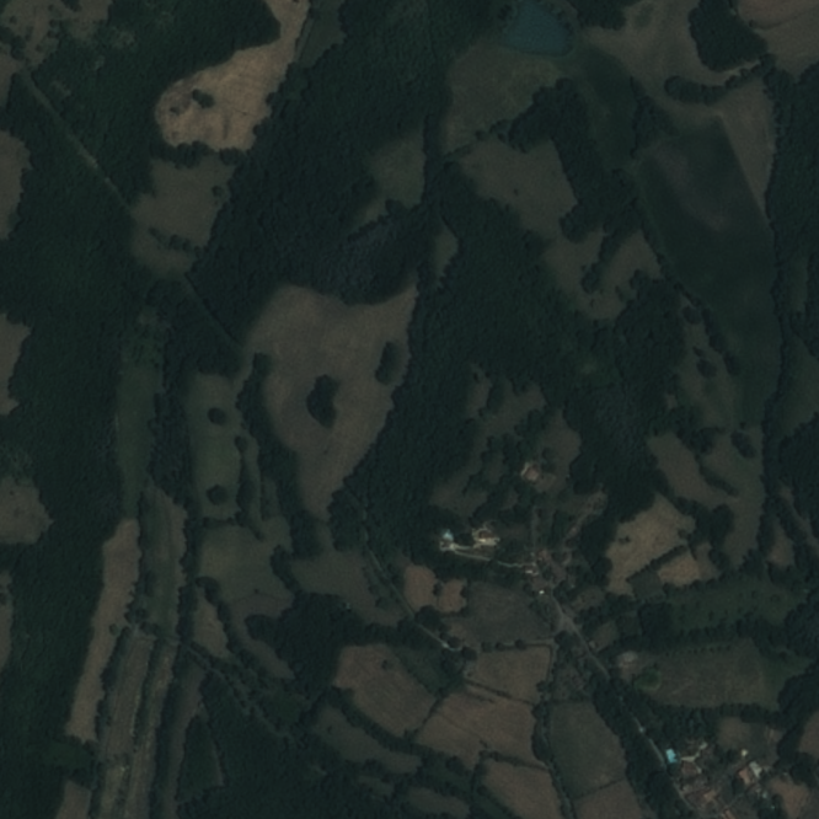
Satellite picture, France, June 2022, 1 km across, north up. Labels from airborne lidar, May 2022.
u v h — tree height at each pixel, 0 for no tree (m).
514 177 0
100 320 21
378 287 15
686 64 0
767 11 0
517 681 0
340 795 21
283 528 0
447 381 16
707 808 0
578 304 0
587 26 13
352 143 22
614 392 25
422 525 16
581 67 0
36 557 17
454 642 15
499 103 0
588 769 0
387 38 8
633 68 0
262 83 0
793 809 0
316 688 23
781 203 15
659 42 0
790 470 24
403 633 18
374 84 11
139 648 0
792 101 19
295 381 0
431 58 10
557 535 8
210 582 17
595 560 10
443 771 0
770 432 21
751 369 0
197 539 25
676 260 0
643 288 24
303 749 21
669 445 0
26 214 20
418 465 13
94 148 13
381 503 15
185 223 0
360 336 0
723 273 0
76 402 20
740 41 16
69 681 19
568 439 0
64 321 19
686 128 0
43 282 16
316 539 10
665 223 0
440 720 0
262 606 0
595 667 11
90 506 26
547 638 0
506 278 16
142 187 24
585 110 21
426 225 16
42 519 0
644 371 24
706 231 0
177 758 0
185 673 16
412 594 0
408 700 0
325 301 0
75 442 22
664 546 0
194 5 11
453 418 19
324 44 0
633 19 0
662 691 0
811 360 0
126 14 18
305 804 21
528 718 0
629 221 20
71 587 20
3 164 0
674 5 0
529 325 15
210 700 17
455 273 24
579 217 19
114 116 14
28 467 11
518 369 16
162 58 19
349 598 0
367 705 0
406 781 16
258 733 22
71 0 17
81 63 9
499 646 11
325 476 0
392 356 16
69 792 0
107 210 20
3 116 18
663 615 19
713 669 0
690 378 0
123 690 0
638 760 15
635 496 18
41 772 18
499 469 0
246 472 7
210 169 0
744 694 0
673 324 24
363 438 0
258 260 22
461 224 24
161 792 14
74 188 17
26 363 17
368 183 7
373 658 0
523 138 26
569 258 0
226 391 0
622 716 17
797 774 13
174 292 21
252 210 22
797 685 20
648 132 24
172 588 0
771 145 0
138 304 18
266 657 0
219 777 0
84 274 17
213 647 0
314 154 23
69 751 0
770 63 18
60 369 17
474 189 15
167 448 31
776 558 0
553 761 10
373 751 0
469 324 16
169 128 0
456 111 0
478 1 23
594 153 25
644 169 0
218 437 0
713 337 14
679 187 0
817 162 19
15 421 16
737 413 0
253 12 16
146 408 0
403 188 0
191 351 22
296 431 0
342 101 14
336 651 18
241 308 22
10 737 16
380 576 11
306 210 21
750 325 0
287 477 9
